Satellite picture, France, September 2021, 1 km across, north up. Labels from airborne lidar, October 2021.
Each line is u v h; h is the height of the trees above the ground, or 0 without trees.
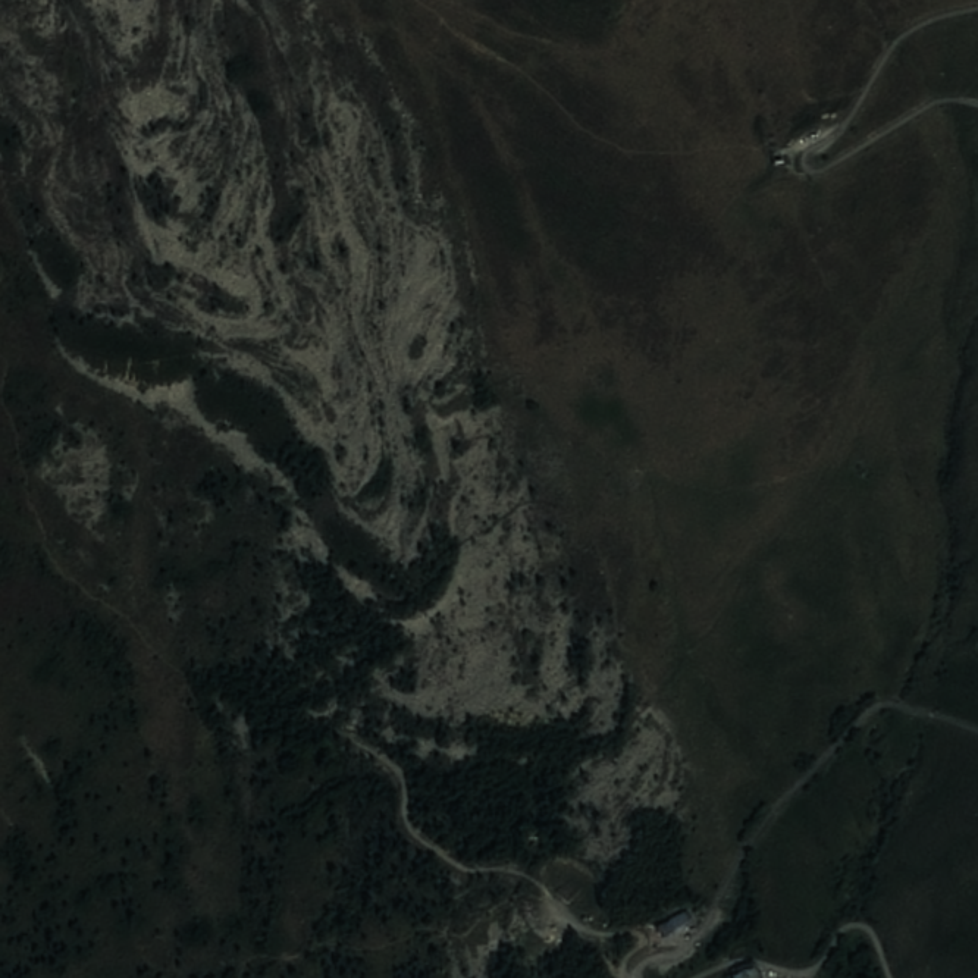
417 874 11
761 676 0
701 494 0
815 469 0
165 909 0
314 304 0
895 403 0
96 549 0
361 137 0
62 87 0
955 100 0
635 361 0
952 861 0
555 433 0
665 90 0
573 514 0
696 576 0
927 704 0
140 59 0
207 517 0
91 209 0
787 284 0
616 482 0
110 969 0
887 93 0
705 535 0
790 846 0
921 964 0
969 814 0
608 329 0
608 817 0
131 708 10
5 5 0
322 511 0
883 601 0
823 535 0
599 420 0
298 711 17
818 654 0
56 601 0
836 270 0
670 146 0
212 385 0
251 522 0
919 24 0
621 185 0
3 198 0
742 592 0
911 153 0
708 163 0
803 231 0
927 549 0
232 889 0
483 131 0
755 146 0
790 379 0
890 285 0
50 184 0
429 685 0
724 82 0
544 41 0
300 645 8
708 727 0
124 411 0
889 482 0
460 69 0
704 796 0
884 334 0
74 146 0
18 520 0
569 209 0
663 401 0
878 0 0
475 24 0
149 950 0
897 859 0
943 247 0
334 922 6
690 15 0
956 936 0
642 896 12
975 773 0
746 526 0
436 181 0
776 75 0
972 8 0
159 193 8
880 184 0
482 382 7
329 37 0
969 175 0
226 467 0
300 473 6
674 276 0
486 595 0
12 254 0
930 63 0
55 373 0
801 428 0
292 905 0
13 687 0
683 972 12
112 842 0
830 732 8
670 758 0
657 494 0
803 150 0
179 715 0
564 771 8
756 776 0
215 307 6
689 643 0
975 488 0
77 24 0
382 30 0
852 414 0
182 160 0
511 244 0
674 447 0
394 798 9
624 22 0
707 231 0
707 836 0
